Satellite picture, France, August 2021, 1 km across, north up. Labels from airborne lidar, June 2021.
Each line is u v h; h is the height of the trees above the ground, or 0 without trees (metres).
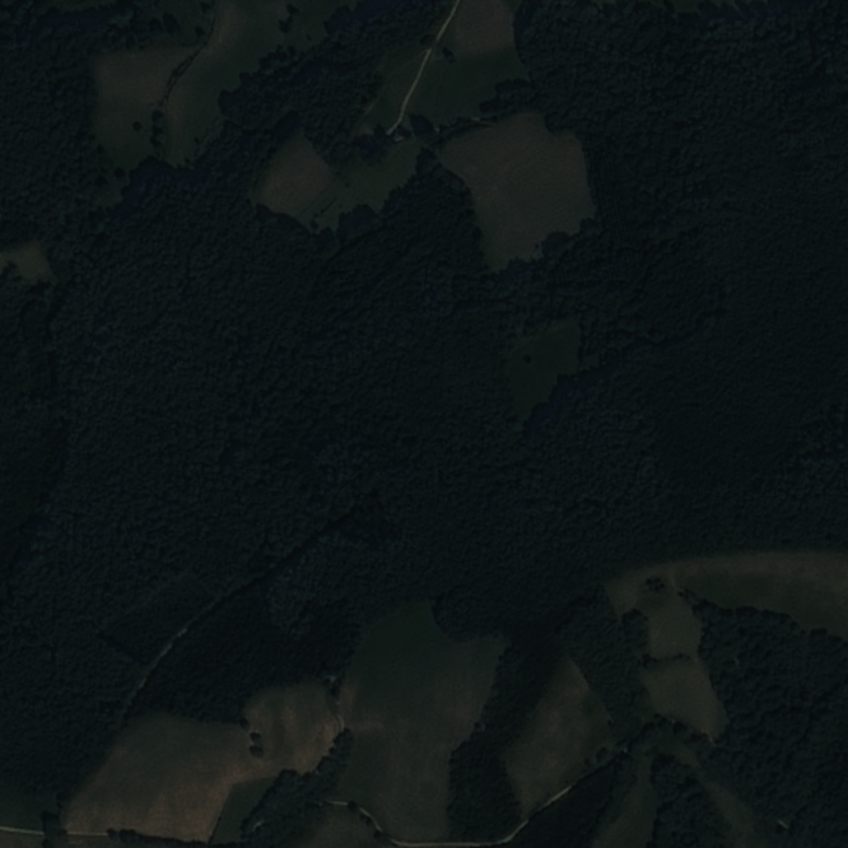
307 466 20
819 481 22
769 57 24
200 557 24
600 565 23
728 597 0
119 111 0
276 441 24
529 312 19
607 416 28
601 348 9
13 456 15
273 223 23
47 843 8
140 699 7
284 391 29
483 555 26
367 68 20
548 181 0
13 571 25
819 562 0
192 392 19
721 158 16
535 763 0
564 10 20
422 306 22
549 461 27
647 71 30
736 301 22
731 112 17
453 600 19
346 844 0
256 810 8
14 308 16
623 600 0
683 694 0
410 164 0
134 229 23
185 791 0
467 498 25
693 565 0
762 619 13
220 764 0
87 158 25
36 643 29
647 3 7
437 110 0
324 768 13
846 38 26
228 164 10
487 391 24
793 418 19
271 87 13
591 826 10
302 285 22
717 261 21
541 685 7
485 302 18
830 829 20
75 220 23
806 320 25
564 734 0
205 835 0
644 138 27
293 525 20
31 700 27
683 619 0
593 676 20
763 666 9
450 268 17
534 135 0
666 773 24
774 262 24
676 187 24
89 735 23
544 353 0
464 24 0
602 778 15
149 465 23
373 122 0
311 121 20
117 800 0
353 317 25
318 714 0
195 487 29
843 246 26
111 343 19
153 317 18
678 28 20
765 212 19
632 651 24
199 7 0
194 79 0
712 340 24
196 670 8
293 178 0
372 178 0
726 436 19
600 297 25
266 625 9
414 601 14
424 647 0
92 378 17
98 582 22
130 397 22
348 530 12
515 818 9
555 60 20
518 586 25
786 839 18
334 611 25
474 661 0
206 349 22
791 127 14
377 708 0
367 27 20
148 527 22
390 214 11
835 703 19
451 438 30
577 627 23
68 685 23
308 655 7
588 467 25
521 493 25
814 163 22
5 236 18
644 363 24
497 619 12
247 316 21
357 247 19
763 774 11
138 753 0
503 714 7
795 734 18
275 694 0
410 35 16
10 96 18
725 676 16
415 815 0
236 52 0
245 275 20
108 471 22
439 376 26
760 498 20
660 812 11
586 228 13
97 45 23
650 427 22
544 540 24
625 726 19
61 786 19
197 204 19
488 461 31
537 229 0
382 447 22
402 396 25
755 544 17
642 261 14
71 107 28
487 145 0
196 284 25
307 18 0
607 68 23
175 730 0
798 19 24
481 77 0
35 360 14
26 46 30
